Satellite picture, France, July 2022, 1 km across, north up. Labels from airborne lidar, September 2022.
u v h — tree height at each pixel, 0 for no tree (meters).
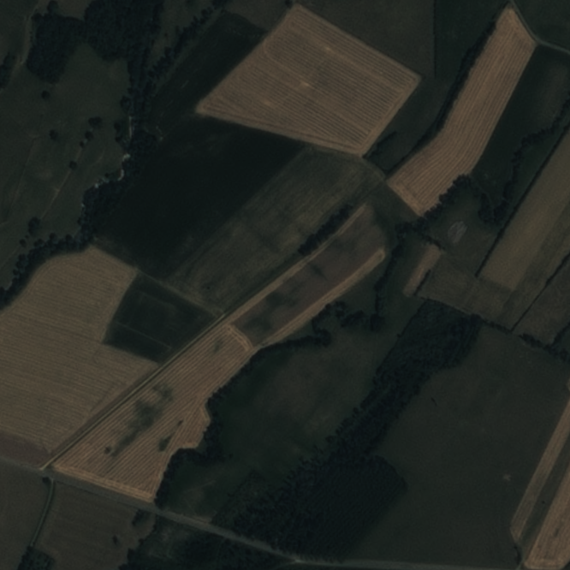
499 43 0
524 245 0
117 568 0
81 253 0
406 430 0
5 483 0
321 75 0
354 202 0
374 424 24
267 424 0
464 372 0
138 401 0
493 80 0
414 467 0
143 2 29
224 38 0
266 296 0
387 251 0
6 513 0
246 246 0
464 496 0
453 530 0
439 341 15
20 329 0
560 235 0
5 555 0
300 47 0
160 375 0
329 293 0
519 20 0
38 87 0
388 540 0
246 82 0
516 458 0
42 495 0
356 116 0
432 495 0
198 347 0
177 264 0
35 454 0
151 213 0
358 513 33
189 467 0
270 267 0
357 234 0
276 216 0
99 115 0
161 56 0
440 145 0
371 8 0
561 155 0
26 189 0
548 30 0
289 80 0
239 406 0
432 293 0
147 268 0
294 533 17
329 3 0
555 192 0
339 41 0
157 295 0
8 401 0
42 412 0
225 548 8
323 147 0
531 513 0
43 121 0
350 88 0
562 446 0
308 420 0
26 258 13
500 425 0
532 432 0
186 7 0
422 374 12
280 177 0
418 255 0
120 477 0
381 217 0
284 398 0
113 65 0
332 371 0
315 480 18
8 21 0
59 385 0
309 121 0
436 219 18
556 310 0
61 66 18
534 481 0
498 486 0
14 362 0
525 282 0
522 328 0
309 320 0
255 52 0
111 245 0
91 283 0
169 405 0
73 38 24
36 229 12
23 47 0
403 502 0
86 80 0
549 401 0
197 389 0
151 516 0
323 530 32
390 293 0
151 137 11
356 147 0
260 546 0
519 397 0
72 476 0
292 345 17
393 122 0
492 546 0
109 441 0
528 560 0
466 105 0
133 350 0
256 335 0
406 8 0
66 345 0
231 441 0
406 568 0
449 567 0
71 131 0
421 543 0
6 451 0
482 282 0
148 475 0
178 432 0
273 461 0
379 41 0
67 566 0
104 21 29
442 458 0
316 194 0
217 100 0
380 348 0
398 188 0
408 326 6
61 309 0
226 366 0
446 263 0
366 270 0
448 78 0
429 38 0
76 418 0
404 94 0
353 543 29
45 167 0
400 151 0
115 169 0
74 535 0
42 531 0
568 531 0
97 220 13
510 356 0
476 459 0
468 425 0
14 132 0
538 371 0
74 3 0
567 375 0
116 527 0
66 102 0
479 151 0
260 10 0
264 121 0
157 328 0
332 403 0
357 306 0
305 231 0
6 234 0
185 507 0
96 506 0
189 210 0
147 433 0
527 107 0
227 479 0
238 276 0
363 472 34
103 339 0
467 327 24
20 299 0
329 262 0
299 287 0
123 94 0
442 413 0
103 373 0
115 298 0
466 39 0
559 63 0
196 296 0
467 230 0
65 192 0
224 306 0
